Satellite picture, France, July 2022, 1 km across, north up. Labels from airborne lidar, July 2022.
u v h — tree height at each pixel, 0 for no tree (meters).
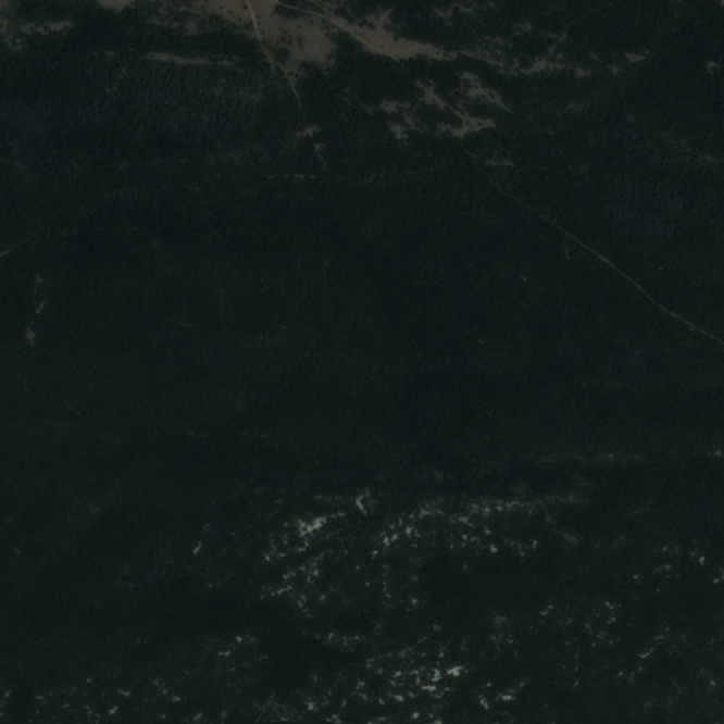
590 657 7
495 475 6
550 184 8
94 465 6
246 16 0
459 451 6
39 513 7
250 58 8
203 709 6
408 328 9
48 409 5
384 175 5
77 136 10
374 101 7
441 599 8
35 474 6
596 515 6
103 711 5
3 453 5
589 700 6
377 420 5
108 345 5
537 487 5
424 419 7
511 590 7
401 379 5
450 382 7
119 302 6
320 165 6
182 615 9
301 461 6
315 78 7
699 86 11
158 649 6
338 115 6
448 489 6
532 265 6
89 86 8
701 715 5
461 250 9
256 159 6
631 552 6
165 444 6
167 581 6
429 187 9
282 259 6
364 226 7
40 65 10
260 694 6
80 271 7
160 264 5
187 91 10
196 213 6
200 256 6
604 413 9
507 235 7
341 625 6
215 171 6
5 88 11
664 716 6
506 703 7
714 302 7
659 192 14
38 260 6
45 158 7
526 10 6
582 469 5
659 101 9
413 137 7
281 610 6
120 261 7
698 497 6
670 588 9
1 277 5
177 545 5
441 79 7
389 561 6
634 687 6
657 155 8
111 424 6
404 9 6
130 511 7
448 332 7
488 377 7
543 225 7
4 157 6
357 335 6
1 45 8
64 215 7
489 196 8
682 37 9
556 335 7
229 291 6
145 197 6
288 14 6
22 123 13
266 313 5
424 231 7
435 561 8
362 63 8
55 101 11
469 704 6
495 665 6
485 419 5
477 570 8
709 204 6
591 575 6
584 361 5
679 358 5
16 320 7
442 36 5
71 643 6
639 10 8
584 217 7
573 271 8
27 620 9
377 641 5
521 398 7
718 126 8
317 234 8
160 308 6
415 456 7
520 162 5
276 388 5
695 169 8
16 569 6
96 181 6
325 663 6
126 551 6
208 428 6
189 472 6
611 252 7
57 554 6
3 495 5
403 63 6
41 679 6
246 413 6
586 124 8
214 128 11
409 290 9
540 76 6
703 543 6
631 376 7
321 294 6
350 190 8
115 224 8
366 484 6
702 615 6
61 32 6
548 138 9
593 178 7
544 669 6
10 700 7
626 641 5
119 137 10
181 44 9
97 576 5
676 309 6
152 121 9
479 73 7
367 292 6
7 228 7
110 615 7
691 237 7
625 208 12
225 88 6
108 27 10
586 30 5
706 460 6
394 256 7
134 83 7
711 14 11
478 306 7
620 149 6
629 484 9
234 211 6
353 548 6
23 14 7
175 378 6
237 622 6
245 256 7
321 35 0
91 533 12
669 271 7
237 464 6
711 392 7
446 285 9
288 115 5
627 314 8
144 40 9
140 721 6
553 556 6
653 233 11
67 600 7
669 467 6
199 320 5
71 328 5
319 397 5
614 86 6
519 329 6
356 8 5
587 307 8
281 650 11
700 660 6
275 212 7
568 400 9
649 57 6
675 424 6
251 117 6
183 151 6
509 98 6
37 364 6
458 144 8
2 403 6
